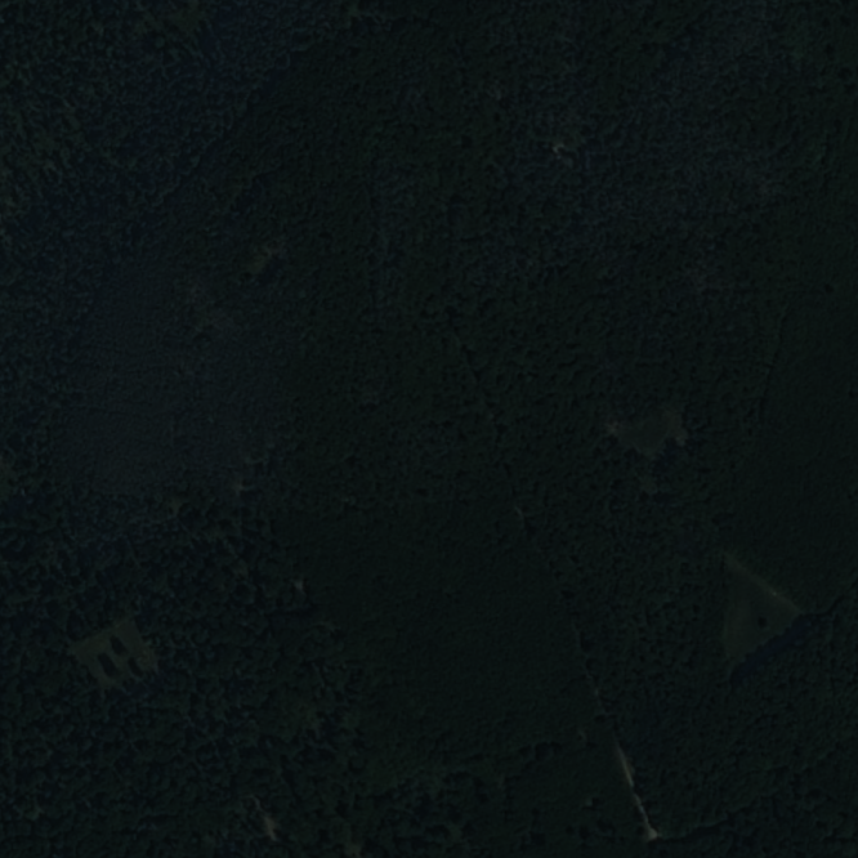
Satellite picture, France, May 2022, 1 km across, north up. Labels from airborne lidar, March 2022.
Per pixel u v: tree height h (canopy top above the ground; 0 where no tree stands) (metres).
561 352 23
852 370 21
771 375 21
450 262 31
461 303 29
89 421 23
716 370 26
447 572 23
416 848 31
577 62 29
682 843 26
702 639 24
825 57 15
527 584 22
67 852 27
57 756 37
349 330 21
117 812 28
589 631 25
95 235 13
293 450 22
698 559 26
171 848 29
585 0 29
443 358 25
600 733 11
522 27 29
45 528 15
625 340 25
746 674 21
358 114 22
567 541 26
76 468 22
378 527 22
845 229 22
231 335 22
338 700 29
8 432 11
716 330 26
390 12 26
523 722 24
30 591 7
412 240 24
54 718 32
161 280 21
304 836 29
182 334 23
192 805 30
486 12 23
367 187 28
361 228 21
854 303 22
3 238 6
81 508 9
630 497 24
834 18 15
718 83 25
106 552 29
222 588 26
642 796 22
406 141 25
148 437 21
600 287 24
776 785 31
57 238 13
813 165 27
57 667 19
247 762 25
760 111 25
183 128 31
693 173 33
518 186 41
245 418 20
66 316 12
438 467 27
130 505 8
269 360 20
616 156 35
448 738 21
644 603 28
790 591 19
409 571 25
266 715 28
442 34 23
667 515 26
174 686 28
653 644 30
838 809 15
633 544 26
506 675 23
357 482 22
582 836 30
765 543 20
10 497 0
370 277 28
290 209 23
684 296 26
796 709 29
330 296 19
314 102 25
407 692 23
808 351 19
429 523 23
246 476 19
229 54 32
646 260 24
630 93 32
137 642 0
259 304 19
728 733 24
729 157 31
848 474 20
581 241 32
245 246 19
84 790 30
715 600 23
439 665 23
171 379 25
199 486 19
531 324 24
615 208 31
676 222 30
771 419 22
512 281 28
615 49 26
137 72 37
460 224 28
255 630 25
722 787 24
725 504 24
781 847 30
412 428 24
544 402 26
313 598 19
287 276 18
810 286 23
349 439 20
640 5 24
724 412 28
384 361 22
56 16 30
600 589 25
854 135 22
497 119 27
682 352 24
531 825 11
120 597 27
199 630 28
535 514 22
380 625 24
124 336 20
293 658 31
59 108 34
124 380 22
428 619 24
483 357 27
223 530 27
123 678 0
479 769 10
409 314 23
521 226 35
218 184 23
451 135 26
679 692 23
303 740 26
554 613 24
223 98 33
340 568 20
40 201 29
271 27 27
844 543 24
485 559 23
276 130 20
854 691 27
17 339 10
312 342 20
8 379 22
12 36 40
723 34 33
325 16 25
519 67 36
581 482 25
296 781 29
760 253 24
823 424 20
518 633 24
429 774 26
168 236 23
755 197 33
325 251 21
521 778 15
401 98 31
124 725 28
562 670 24
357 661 25
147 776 27
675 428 0
